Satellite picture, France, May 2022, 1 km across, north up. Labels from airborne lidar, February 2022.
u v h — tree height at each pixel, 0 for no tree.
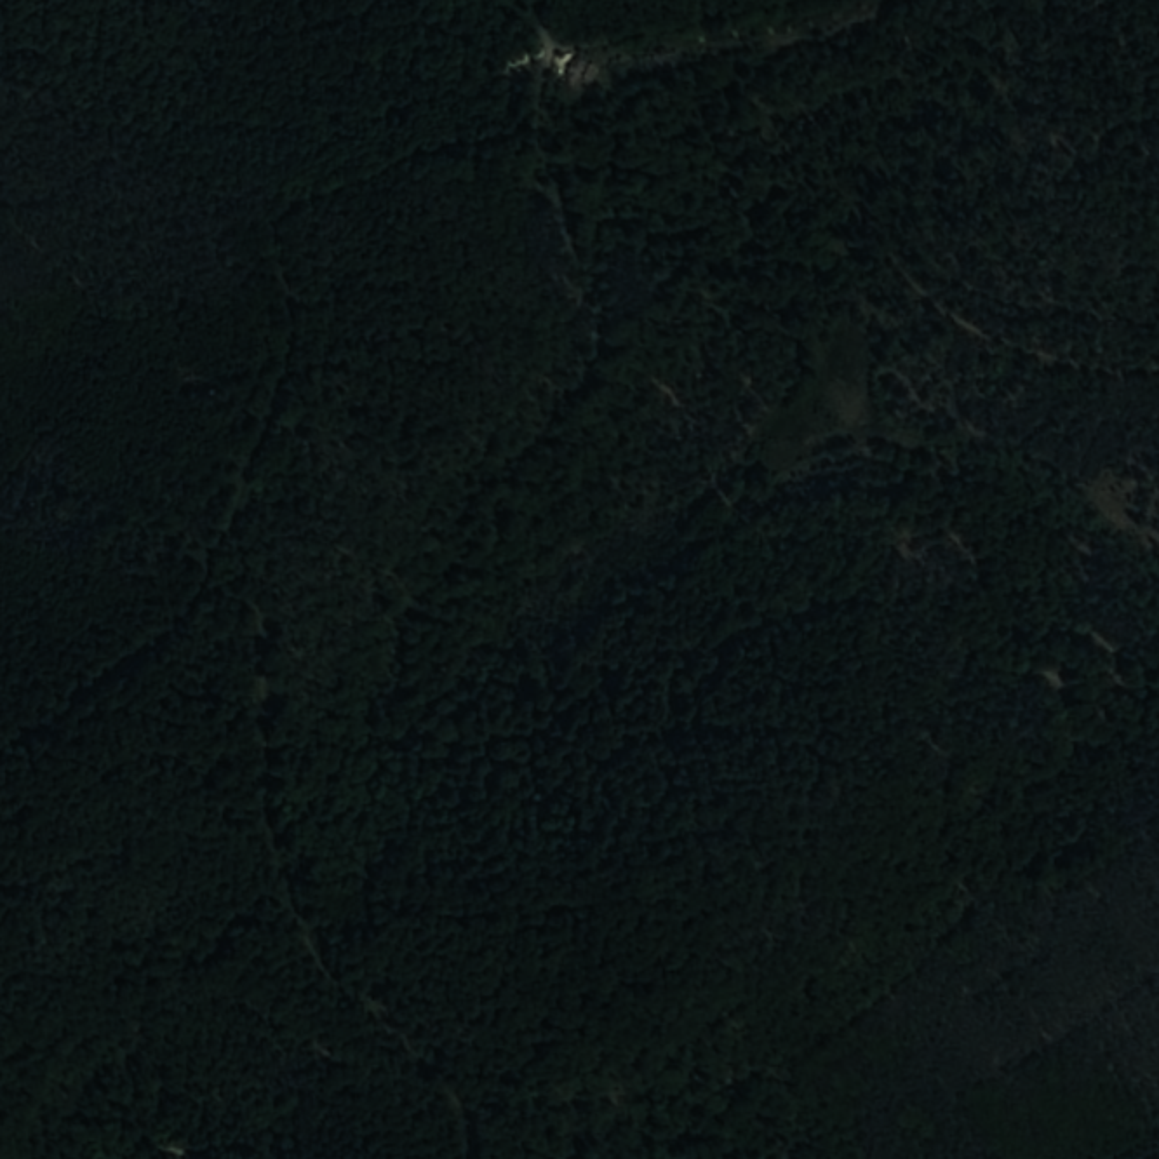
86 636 14
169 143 31
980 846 28
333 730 29
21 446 17
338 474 19
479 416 15
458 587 28
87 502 13
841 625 25
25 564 22
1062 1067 19
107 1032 31
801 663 28
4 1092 30
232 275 24
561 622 8
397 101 27
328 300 21
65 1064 31
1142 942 21
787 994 24
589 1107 25
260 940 31
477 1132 26
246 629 24
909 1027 19
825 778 26
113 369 24
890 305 36
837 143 38
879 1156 20
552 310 10
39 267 23
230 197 16
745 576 27
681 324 36
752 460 9
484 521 23
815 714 28
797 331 31
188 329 22
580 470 29
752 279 31
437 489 27
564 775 35
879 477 12
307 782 30
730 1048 27
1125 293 20
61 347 21
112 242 25
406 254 25
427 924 30
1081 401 11
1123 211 23
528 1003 28
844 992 24
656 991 29
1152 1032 20
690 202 34
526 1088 27
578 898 29
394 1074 28
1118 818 29
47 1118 33
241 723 30
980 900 14
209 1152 26
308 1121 25
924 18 26
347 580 14
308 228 19
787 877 12
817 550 23
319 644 13
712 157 12
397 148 25
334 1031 26
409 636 23
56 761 31
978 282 8
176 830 23
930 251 29
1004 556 29
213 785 25
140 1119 25
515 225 27
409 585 30
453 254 24
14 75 20
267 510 13
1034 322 25
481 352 22
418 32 29
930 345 28
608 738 32
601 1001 28
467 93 25
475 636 29
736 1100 32
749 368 30
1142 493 11
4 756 24
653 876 24
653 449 25
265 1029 21
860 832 24
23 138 26
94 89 28
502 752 36
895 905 26
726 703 30
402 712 28
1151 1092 20
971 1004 20
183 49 23
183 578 17
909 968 15
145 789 21
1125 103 18
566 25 17
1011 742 21
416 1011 26
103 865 22
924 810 27
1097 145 7
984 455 27
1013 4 25
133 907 20
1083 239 25
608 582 6
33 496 17
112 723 29
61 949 23
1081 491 26
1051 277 26
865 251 38
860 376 0
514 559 26
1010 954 21
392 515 15
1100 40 23
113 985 29
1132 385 14
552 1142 25
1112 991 19
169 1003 28
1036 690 25
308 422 20
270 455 16
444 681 38
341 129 26
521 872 29
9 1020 27
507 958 27
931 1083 23
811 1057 23
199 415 18
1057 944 19
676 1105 32
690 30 15
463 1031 30
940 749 20
